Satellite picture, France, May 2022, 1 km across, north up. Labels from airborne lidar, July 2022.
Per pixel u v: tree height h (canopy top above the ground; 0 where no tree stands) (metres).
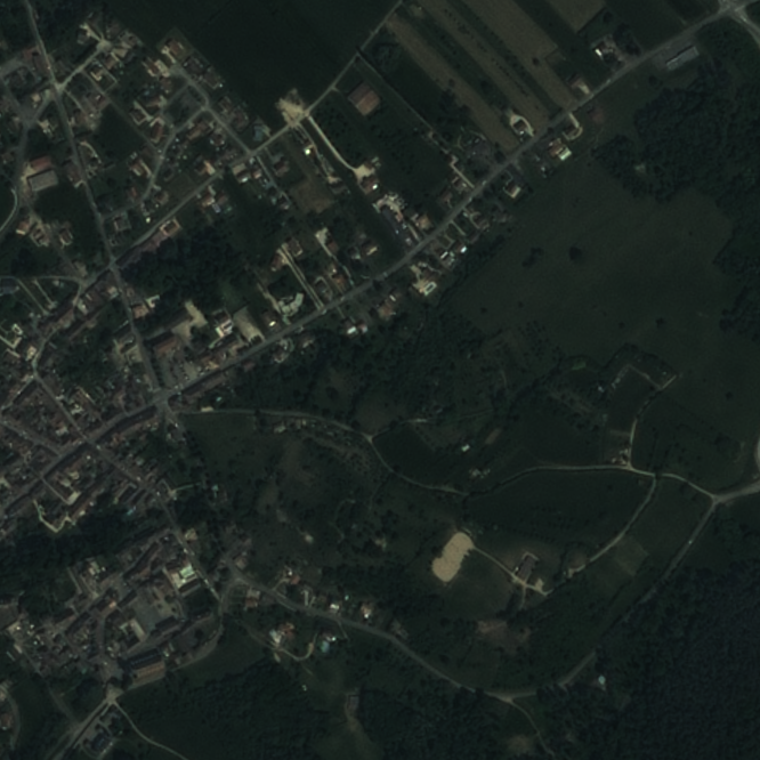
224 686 8
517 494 0
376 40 0
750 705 18
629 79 0
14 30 17
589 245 0
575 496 0
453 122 11
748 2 0
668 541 0
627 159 9
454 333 8
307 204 0
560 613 5
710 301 0
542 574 0
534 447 0
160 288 20
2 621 0
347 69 0
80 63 9
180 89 0
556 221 0
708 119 16
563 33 0
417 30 0
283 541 0
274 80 0
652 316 0
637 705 21
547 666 7
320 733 14
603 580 0
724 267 13
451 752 23
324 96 0
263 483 11
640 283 0
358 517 13
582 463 0
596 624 15
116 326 0
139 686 0
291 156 0
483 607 0
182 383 0
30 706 0
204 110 0
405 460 0
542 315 0
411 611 14
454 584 0
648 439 0
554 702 27
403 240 0
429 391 11
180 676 6
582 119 0
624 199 0
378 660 13
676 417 0
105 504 10
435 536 6
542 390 11
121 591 0
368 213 0
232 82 0
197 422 0
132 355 0
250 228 0
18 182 0
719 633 16
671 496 0
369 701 17
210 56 0
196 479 11
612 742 18
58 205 0
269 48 0
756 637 27
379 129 7
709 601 22
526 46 0
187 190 0
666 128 15
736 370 0
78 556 12
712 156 14
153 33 0
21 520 6
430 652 6
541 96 0
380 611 10
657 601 22
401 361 8
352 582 9
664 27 0
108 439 0
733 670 18
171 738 0
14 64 0
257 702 15
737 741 19
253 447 0
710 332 0
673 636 22
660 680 23
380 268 0
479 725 20
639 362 0
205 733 0
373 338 7
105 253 9
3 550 9
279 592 0
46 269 8
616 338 0
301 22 0
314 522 7
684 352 0
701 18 0
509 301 0
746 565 14
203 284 21
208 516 17
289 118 0
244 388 8
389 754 16
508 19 0
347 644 8
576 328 0
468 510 7
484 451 5
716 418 0
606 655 24
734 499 0
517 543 0
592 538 0
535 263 11
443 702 9
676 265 0
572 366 6
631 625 17
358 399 16
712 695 20
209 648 0
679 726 25
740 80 0
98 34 0
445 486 5
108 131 0
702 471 0
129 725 8
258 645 0
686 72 0
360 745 0
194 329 8
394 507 0
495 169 0
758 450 0
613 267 0
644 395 0
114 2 0
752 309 9
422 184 0
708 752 18
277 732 7
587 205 0
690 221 0
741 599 22
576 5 0
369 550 11
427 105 0
